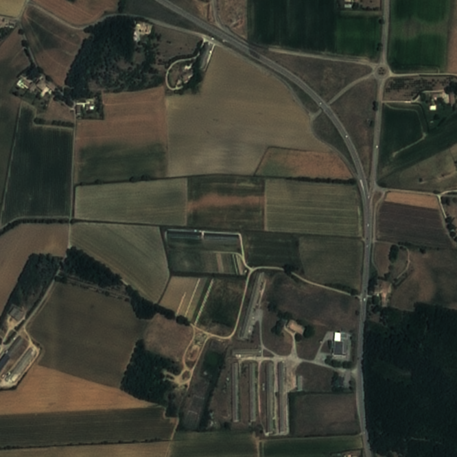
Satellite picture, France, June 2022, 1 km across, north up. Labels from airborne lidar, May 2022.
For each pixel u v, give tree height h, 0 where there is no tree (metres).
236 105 0
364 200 0
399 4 0
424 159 0
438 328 7
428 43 0
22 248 0
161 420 0
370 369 13
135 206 0
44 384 0
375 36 0
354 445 0
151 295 0
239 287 0
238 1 0
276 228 0
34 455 0
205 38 0
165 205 0
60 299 0
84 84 11
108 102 0
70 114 0
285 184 0
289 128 0
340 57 0
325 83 0
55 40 0
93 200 0
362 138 0
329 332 0
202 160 0
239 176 0
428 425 7
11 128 0
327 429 0
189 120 0
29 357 0
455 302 0
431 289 0
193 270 0
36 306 8
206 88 0
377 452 13
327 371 0
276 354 0
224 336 0
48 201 0
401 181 0
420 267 0
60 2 0
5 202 0
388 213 0
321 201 0
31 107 0
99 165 0
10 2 0
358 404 0
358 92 0
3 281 0
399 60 0
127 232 0
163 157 0
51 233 0
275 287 0
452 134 0
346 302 0
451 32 0
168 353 0
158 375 9
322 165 0
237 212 0
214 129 0
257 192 0
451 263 0
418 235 0
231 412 0
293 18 0
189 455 0
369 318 9
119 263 0
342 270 0
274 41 0
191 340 0
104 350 0
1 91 0
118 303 0
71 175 0
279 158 0
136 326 0
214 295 0
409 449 9
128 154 0
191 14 0
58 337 0
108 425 0
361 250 0
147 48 10
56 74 0
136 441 10
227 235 6
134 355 10
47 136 0
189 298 0
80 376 0
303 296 0
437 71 0
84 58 13
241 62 0
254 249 0
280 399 0
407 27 0
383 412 8
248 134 0
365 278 0
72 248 9
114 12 0
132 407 0
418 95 6
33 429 0
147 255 0
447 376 12
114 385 0
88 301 0
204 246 0
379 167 0
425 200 0
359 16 0
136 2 0
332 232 0
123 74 9
